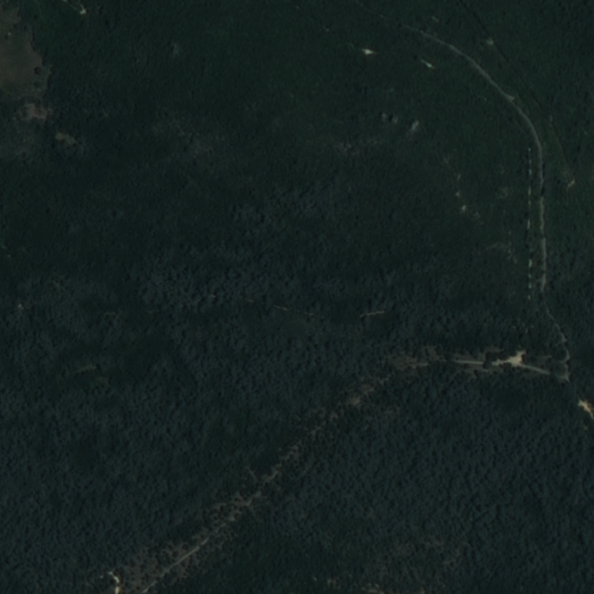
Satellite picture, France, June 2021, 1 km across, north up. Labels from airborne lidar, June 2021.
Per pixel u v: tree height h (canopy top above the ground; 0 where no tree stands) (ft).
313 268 57
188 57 25
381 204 25
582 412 44
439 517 63
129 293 38
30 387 26
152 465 68
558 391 46
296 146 28
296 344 62
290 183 37
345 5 42
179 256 42
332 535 27
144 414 69
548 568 66
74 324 65
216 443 49
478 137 33
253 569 45
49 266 44
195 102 29
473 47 26
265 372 69
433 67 20
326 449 31
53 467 56
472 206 28
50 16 38
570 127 29
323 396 45
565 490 47
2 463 56
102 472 45
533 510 47
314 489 57
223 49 31
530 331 31
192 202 29
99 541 64
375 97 25
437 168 21
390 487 69
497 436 67
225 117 35
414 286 55
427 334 38
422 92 34
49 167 22
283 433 47
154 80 35
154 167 24
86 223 47
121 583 29
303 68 42
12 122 20
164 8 33
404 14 46
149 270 46
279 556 46
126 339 43
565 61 43
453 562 28
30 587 62
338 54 48
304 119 22
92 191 18
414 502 51
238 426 43
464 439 63
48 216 45
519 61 34
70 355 52
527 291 47
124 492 59
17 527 63
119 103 42
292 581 45
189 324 29
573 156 34
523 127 29
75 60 27
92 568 53
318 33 41
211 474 45
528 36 45
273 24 44
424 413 50
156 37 30
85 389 33
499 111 27
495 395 35
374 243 33
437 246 29
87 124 50
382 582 22
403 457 58
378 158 31
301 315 19
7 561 66
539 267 44
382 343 64
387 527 42
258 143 34
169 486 67
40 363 51
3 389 32
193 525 30
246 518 28
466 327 66
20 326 60
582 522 50
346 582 33
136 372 42
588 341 62
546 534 54
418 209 21
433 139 25
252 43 45
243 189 28
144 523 62
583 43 43
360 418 37
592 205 23
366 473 65
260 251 38
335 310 34
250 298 56
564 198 31
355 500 27
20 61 0
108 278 60
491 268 25
